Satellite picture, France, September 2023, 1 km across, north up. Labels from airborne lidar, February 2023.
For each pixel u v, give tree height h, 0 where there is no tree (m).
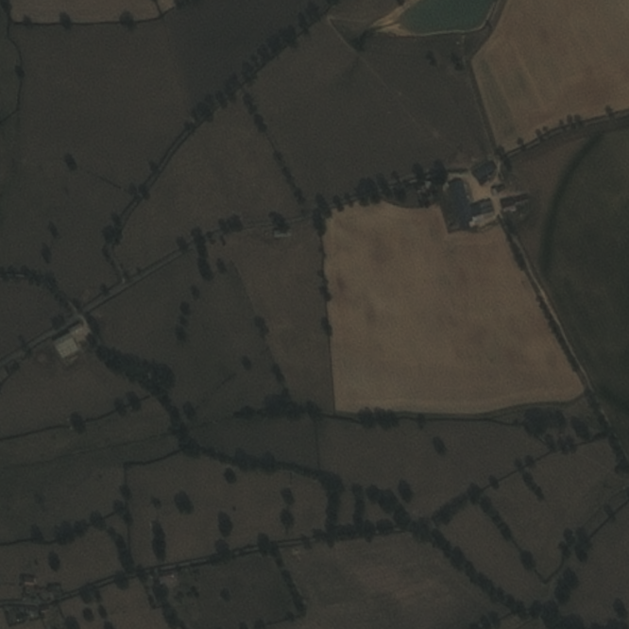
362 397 0
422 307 0
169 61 0
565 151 0
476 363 0
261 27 0
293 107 0
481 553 0
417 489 0
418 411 0
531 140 0
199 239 16
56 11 0
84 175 0
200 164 0
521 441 0
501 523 15
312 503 0
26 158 0
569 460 0
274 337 0
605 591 0
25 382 0
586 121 0
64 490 0
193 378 0
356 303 0
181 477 0
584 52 0
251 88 0
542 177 0
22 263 0
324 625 0
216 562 10
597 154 0
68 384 0
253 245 0
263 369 0
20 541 0
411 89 0
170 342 0
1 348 0
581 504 0
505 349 0
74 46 0
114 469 0
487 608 0
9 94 0
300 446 0
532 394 0
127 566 16
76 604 0
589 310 0
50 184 0
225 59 0
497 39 0
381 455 0
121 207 0
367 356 0
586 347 0
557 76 0
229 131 0
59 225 0
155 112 0
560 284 0
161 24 0
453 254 0
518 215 0
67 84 0
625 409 0
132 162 0
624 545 0
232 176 0
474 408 0
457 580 0
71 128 0
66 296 0
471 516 0
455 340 0
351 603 0
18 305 0
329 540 16
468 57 0
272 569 0
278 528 0
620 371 0
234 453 0
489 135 0
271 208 0
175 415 19
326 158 0
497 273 0
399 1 12
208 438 0
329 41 0
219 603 0
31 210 0
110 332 0
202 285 0
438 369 0
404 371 0
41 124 0
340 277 0
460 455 0
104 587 0
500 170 0
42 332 0
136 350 0
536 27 0
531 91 0
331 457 0
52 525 0
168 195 0
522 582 0
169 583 0
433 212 0
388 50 0
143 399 0
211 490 0
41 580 0
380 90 0
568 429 0
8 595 0
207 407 0
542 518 0
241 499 0
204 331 0
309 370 0
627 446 0
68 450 0
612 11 0
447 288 0
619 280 0
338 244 0
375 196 21
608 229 0
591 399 18
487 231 0
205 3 0
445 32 0
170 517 0
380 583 0
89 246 0
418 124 0
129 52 0
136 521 0
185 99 0
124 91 0
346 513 0
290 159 0
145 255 0
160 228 0
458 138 0
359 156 0
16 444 0
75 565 0
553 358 0
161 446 0
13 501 0
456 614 0
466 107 0
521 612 14
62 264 0
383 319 0
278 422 0
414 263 0
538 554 0
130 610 0
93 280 0
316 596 0
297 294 0
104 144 0
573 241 0
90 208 0
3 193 0
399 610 0
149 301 0
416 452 0
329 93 0
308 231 0
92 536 0
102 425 0
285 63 0
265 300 0
